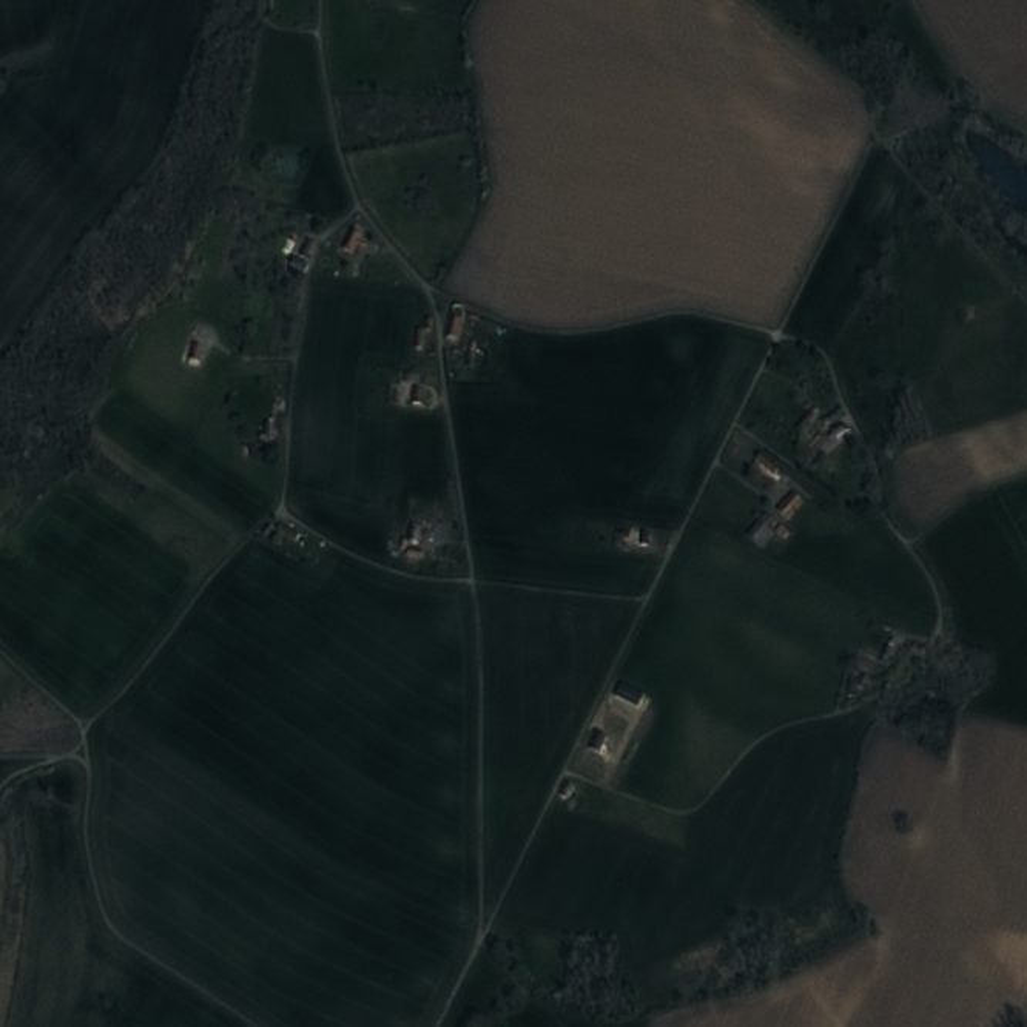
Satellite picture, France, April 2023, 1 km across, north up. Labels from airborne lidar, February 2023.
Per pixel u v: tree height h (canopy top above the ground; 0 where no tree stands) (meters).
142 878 0
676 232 0
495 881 0
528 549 0
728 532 0
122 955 0
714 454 0
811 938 0
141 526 0
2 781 0
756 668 0
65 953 0
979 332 0
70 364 19
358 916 0
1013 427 0
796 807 0
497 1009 15
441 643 0
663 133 0
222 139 14
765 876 0
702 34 0
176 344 0
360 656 0
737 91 0
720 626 0
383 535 0
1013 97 0
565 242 0
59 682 0
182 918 0
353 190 0
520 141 0
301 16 0
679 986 0
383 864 0
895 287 0
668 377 0
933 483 0
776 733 0
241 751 0
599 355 0
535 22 0
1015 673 0
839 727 0
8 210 0
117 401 0
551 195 0
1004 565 0
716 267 0
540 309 0
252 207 21
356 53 0
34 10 0
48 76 0
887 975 0
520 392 0
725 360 0
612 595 0
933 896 0
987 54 0
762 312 0
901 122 0
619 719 0
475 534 0
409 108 0
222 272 0
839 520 0
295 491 0
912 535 0
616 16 0
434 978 0
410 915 0
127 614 0
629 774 0
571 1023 0
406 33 0
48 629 0
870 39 18
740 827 0
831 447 0
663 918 0
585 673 0
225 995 0
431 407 0
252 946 0
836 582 0
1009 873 0
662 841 0
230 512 0
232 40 10
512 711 0
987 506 0
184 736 0
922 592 0
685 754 0
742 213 0
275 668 0
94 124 0
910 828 20
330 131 0
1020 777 0
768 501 10
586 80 0
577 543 0
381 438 0
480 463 0
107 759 0
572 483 0
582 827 0
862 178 0
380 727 0
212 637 0
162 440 0
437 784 0
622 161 0
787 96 0
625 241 0
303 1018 0
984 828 0
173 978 0
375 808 0
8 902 8
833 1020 0
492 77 0
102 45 0
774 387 0
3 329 0
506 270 0
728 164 0
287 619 0
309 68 0
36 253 0
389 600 0
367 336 0
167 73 0
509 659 0
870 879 0
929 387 0
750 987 22
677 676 0
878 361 0
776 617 0
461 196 0
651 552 0
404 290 0
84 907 0
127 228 12
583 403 0
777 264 0
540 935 0
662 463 0
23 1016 0
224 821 0
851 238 0
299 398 0
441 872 0
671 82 0
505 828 0
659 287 0
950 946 0
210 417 0
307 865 0
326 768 0
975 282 0
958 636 0
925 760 0
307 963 0
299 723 0
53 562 0
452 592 0
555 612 0
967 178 0
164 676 0
